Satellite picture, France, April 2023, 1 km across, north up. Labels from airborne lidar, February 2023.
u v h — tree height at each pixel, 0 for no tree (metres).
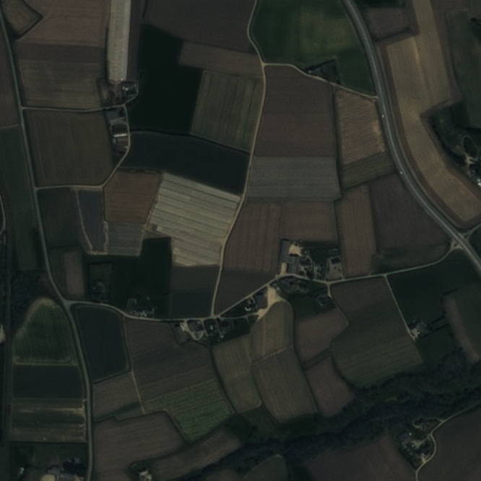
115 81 0
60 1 0
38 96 0
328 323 0
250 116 0
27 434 0
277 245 0
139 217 0
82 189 0
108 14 0
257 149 0
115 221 0
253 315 0
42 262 0
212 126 0
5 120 0
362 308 0
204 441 0
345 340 0
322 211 0
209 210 0
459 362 17
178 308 0
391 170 0
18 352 0
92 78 0
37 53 0
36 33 0
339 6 0
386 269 0
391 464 0
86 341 0
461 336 0
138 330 0
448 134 0
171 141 0
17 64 0
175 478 0
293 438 0
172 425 0
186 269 0
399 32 0
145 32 0
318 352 0
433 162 0
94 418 0
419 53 0
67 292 0
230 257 0
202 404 0
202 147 0
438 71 0
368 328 0
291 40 0
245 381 0
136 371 0
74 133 0
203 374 0
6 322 9
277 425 0
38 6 0
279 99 0
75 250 0
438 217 0
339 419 18
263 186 0
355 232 0
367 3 0
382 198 0
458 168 0
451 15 0
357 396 17
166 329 0
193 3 0
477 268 0
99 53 0
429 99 0
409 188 0
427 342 0
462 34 0
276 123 0
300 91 0
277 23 0
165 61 0
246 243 0
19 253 0
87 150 0
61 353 0
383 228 0
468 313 0
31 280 0
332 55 0
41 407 0
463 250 0
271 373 0
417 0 0
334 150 0
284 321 0
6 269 9
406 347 0
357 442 15
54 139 0
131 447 0
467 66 0
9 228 0
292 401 0
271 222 0
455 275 0
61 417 0
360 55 0
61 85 0
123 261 0
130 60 0
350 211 0
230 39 0
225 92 0
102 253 0
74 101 0
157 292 0
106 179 0
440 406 17
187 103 0
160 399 0
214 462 0
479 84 0
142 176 0
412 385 20
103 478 0
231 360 0
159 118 0
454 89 0
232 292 0
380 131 0
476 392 8
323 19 0
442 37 0
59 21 0
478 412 0
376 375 0
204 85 0
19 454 0
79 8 0
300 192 0
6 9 0
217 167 0
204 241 0
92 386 0
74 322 0
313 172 0
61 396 0
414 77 0
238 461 18
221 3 0
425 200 0
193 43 0
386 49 0
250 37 0
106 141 0
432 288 0
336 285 0
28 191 0
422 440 0
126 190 0
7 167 0
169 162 0
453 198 0
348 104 0
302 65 0
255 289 0
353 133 0
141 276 0
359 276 0
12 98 0
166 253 0
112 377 0
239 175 0
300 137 0
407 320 0
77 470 12
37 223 0
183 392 0
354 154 0
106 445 0
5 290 10
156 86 0
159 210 0
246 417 0
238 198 0
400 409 22
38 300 0
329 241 0
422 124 0
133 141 0
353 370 0
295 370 0
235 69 0
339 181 0
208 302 0
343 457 0
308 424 0
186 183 0
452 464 0
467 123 0
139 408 0
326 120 0
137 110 0
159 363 0
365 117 0
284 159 0
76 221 0
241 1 0
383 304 0
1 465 0
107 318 0
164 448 0
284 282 0
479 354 0
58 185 0
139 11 0
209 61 0
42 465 0
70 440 0
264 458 14
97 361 0
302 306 0
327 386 0
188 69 0
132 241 0
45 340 0
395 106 0
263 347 0
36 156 0
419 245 0
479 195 0
